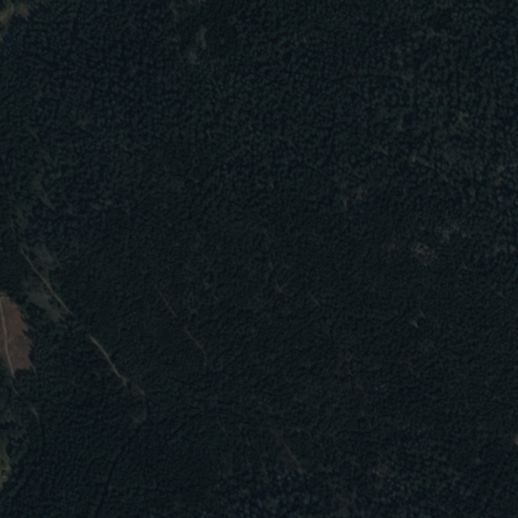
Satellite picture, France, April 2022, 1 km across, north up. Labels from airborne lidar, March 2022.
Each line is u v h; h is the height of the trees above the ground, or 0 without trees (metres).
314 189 24
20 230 24
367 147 24
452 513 22
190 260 21
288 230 27
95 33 25
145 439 25
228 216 27
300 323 21
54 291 16
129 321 19
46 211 28
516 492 22
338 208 23
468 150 34
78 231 17
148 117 29
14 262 24
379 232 25
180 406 18
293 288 20
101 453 29
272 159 24
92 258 20
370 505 18
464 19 35
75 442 28
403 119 30
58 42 33
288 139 30
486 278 26
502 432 22
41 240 28
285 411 16
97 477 29
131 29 22
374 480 11
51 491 31
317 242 25
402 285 27
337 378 9
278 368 19
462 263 22
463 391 22
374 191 19
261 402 21
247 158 26
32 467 30
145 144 22
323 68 30
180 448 21
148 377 18
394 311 24
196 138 14
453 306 24
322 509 27
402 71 26
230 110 32
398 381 26
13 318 0
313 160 20
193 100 32
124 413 24
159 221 24
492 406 22
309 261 23
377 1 32
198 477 22
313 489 15
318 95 27
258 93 34
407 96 8
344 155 21
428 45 12
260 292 16
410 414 22
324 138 21
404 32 19
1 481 0
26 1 32
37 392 25
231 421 16
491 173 36
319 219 21
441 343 23
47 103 7
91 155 26
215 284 26
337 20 27
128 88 37
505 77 37
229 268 23
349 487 14
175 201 22
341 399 23
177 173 19
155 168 20
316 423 22
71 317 6
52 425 27
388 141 30
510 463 29
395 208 21
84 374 30
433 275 25
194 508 22
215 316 24
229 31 16
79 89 26
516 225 22
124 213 20
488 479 26
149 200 22
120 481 27
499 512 23
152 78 29
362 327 22
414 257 28
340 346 25
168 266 21
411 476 30
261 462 21
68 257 21
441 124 34
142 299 17
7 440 27
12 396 24
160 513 22
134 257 23
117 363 20
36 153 25
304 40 28
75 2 29
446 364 15
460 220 25
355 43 27
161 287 23
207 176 16
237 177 32
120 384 25
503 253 15
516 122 33
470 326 19
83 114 16
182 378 19
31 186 30
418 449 32
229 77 22
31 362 0
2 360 0
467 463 26
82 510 30
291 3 37
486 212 13
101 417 32
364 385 14
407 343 31
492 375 15
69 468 33
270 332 19
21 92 30
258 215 26
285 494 9
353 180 16
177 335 18
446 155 30
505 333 23
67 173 23
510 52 32
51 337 30
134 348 21
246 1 7
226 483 19
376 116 35
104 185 28
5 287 24
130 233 24
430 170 11
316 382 21
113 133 20
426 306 24
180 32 15
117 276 23
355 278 25
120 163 26
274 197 28
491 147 37
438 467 28
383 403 28
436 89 32
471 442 26
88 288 16
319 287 26
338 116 24
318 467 16
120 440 30
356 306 25
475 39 8
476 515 24
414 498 19
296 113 28
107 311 19
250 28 39
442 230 26
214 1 15
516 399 21
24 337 0
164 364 16
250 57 32
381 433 25
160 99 33
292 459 15
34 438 29
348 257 15
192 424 15
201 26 17
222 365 17
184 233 26
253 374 22
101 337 17
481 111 35
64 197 19
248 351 22
